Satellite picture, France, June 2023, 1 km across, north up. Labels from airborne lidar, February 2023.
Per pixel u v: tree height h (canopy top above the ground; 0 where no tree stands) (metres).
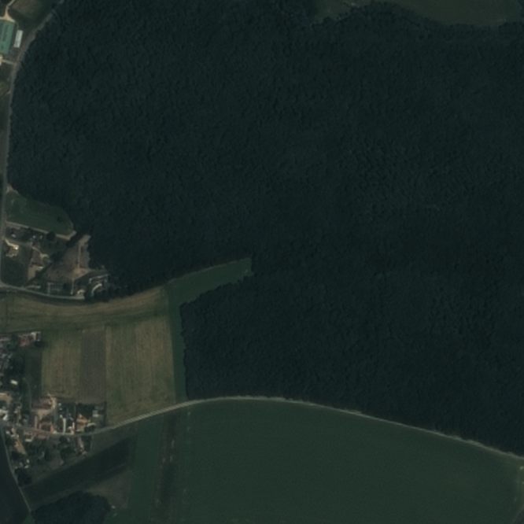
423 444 0
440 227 19
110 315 0
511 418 24
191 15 22
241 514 0
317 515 0
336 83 23
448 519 0
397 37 25
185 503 0
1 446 0
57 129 21
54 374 0
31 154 24
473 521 0
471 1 0
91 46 23
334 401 22
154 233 25
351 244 37
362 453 0
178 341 0
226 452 0
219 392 19
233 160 25
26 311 0
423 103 16
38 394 0
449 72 22
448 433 20
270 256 27
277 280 29
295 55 23
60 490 0
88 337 0
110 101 26
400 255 29
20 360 0
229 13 23
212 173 26
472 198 20
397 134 23
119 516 0
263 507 0
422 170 16
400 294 30
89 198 18
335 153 23
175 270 15
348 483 0
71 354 0
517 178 22
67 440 9
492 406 22
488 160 21
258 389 20
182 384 0
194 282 0
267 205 19
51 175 24
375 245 31
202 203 23
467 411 20
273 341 24
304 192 19
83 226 17
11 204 0
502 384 20
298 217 16
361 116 23
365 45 24
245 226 21
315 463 0
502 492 0
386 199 26
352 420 0
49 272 0
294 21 12
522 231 24
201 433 0
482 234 27
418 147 22
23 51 0
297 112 25
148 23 28
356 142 22
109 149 26
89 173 22
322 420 0
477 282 26
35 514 10
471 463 0
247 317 24
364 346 22
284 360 25
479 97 24
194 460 0
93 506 18
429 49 23
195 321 24
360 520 0
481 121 23
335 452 0
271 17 21
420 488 0
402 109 19
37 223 0
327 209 21
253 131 24
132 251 25
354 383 21
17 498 0
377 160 28
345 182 10
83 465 0
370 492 0
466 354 22
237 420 0
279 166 21
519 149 24
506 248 22
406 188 26
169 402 0
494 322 21
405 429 0
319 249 29
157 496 0
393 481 0
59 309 0
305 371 25
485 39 21
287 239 23
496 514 0
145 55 27
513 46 15
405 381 27
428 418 28
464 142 19
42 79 14
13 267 0
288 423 0
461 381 23
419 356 27
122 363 0
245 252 16
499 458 0
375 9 20
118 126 19
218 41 23
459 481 0
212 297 17
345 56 21
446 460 0
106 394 0
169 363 0
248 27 15
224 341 11
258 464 0
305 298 28
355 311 23
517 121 22
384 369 28
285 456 0
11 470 0
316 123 24
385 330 27
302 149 24
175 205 24
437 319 24
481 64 23
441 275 30
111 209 24
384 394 27
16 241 0
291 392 20
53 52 14
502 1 0
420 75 21
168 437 0
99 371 0
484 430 23
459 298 26
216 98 24
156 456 0
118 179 26
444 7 0
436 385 29
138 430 0
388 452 0
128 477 0
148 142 26
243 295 15
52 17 0
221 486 0
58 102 23
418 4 0
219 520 0
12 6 0
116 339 0
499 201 21
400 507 0
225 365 13
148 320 0
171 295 0
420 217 21
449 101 22
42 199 16
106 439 0
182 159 25
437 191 26
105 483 0
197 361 22
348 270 32
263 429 0
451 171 23
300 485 0
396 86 21
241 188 23
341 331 23
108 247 20
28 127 21
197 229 26
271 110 24
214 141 23
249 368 22
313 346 27
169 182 25
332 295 28
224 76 22
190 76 23
